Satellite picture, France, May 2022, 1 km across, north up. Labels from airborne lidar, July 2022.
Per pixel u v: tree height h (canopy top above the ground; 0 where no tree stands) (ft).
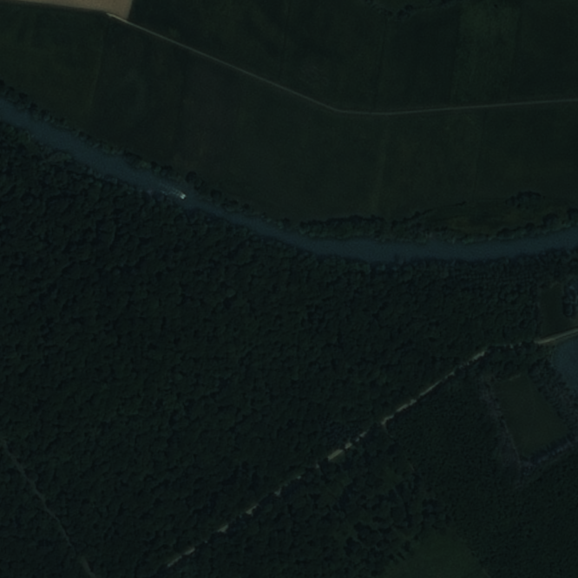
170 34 0
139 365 88
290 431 98
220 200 50
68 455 76
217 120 0
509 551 56
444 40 0
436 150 0
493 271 82
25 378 87
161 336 100
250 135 0
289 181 0
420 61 0
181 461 92
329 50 0
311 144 0
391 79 0
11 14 0
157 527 91
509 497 53
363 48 0
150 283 87
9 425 73
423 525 94
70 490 80
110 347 91
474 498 51
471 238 33
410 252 0
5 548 102
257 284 87
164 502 108
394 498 84
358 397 82
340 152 0
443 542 0
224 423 96
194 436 88
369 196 0
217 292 95
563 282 87
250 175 0
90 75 0
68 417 73
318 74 0
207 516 90
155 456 97
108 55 0
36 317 91
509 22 0
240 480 102
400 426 59
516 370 83
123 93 0
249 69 0
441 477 56
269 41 0
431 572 0
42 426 88
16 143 20
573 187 0
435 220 0
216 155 0
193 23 0
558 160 0
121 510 88
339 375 69
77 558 94
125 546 97
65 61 0
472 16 0
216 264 97
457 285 91
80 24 0
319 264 74
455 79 0
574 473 49
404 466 75
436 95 0
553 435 0
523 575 51
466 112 0
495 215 0
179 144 0
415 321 103
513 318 77
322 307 84
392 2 0
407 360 93
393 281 89
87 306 83
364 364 94
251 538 69
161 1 0
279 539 75
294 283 97
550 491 51
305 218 0
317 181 0
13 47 0
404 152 0
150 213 93
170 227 86
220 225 91
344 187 0
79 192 72
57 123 30
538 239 0
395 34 0
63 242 22
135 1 0
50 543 87
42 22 0
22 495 97
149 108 0
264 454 98
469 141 0
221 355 77
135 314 84
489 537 52
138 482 108
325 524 89
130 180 0
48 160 47
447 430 58
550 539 52
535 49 0
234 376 100
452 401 59
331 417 75
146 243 97
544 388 105
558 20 0
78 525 98
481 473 59
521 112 0
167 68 0
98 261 107
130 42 0
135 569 91
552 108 0
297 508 96
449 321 94
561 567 54
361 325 97
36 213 84
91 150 0
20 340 102
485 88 0
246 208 49
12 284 94
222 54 0
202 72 0
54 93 0
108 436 90
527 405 0
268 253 82
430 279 73
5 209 96
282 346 85
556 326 0
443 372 90
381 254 0
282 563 99
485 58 0
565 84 0
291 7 0
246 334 86
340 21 0
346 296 84
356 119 0
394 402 96
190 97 0
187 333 88
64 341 88
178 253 97
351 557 81
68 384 104
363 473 91
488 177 0
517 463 76
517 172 0
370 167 0
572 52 0
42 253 97
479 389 84
